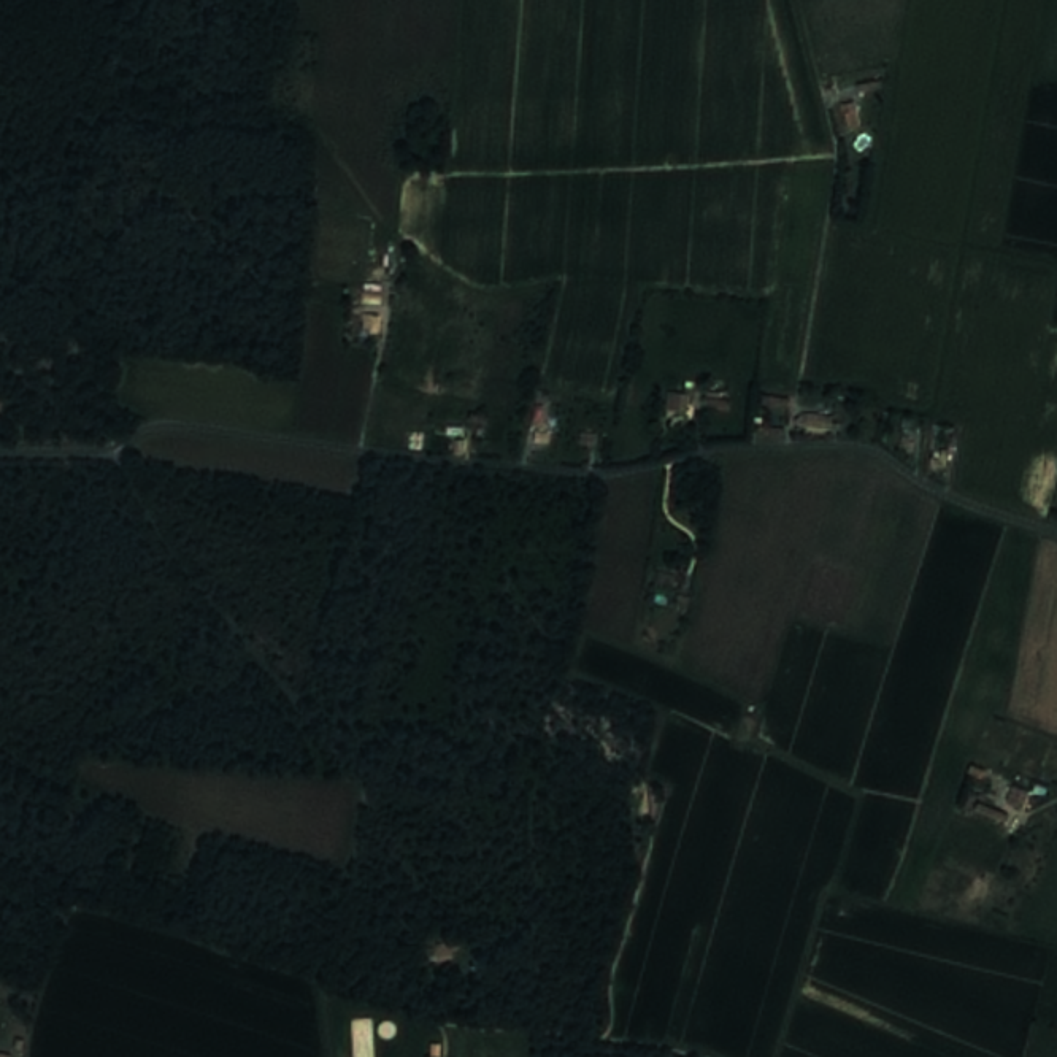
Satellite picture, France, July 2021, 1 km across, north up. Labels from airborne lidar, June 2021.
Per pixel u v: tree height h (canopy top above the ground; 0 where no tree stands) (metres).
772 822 0
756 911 0
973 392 0
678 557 13
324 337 0
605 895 9
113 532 17
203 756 17
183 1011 0
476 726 25
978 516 0
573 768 17
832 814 0
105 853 24
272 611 7
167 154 24
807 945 0
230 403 0
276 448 0
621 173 0
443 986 17
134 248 25
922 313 0
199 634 21
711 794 0
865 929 0
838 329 0
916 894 0
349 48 0
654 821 16
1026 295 0
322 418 0
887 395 0
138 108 22
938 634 0
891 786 0
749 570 0
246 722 20
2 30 15
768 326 0
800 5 0
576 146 0
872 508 0
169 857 6
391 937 20
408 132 6
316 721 17
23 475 16
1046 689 0
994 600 0
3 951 16
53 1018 0
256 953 15
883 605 0
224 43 29
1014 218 0
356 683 23
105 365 22
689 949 0
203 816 0
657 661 0
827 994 0
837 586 0
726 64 0
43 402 9
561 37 0
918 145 0
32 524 8
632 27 0
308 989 0
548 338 7
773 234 0
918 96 0
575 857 10
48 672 6
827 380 0
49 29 18
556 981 10
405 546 17
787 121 0
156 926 12
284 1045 0
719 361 0
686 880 0
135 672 8
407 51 0
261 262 8
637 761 18
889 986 0
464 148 0
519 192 0
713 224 0
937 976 0
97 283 24
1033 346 0
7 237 29
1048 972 0
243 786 0
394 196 0
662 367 0
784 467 0
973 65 0
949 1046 0
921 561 0
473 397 0
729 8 0
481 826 8
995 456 0
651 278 0
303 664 0
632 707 14
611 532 0
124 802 12
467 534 11
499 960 25
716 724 0
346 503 14
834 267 0
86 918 0
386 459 6
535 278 0
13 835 26
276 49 11
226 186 25
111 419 23
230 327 12
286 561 6
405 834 8
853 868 0
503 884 9
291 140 20
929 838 0
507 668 24
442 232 0
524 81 0
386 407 0
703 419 10
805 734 0
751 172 0
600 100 0
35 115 14
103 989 0
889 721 0
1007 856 0
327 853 0
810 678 0
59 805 27
